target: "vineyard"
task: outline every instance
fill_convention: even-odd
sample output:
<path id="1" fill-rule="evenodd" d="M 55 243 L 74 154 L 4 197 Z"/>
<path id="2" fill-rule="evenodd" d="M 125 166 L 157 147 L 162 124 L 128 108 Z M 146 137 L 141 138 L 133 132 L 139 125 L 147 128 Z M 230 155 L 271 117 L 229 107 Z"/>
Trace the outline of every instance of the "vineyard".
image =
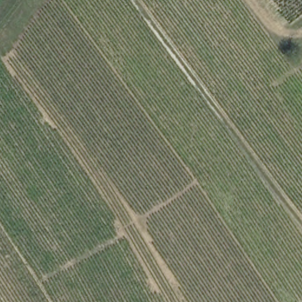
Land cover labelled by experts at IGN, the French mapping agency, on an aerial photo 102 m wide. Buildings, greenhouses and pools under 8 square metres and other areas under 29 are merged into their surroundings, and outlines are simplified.
<path id="1" fill-rule="evenodd" d="M 34 9 L 33 18 L 18 35 L 12 50 L 0 58 L 0 302 L 302 302 L 302 38 L 283 38 L 271 32 L 244 0 L 44 0 L 45 5 L 41 5 L 40 9 Z"/>
<path id="2" fill-rule="evenodd" d="M 302 28 L 302 0 L 274 0 L 278 6 L 278 14 L 287 20 L 285 28 Z"/>

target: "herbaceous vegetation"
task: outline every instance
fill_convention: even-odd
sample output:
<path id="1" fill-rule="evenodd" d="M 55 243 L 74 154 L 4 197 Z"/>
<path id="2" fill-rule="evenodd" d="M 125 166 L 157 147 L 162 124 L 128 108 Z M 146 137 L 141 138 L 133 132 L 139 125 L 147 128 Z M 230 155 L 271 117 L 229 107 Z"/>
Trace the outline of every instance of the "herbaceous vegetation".
<path id="1" fill-rule="evenodd" d="M 33 18 L 34 9 L 40 9 L 41 5 L 45 5 L 44 0 L 0 0 L 0 58 L 12 50 L 18 35 Z"/>

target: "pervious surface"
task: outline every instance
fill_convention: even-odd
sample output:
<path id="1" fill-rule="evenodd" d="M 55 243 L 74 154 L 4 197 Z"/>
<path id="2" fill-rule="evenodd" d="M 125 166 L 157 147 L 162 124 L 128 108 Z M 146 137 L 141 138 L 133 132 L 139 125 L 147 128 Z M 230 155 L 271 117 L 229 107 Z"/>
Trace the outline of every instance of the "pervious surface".
<path id="1" fill-rule="evenodd" d="M 287 20 L 278 14 L 278 6 L 274 0 L 244 0 L 271 32 L 283 38 L 302 38 L 302 28 L 285 28 Z"/>

